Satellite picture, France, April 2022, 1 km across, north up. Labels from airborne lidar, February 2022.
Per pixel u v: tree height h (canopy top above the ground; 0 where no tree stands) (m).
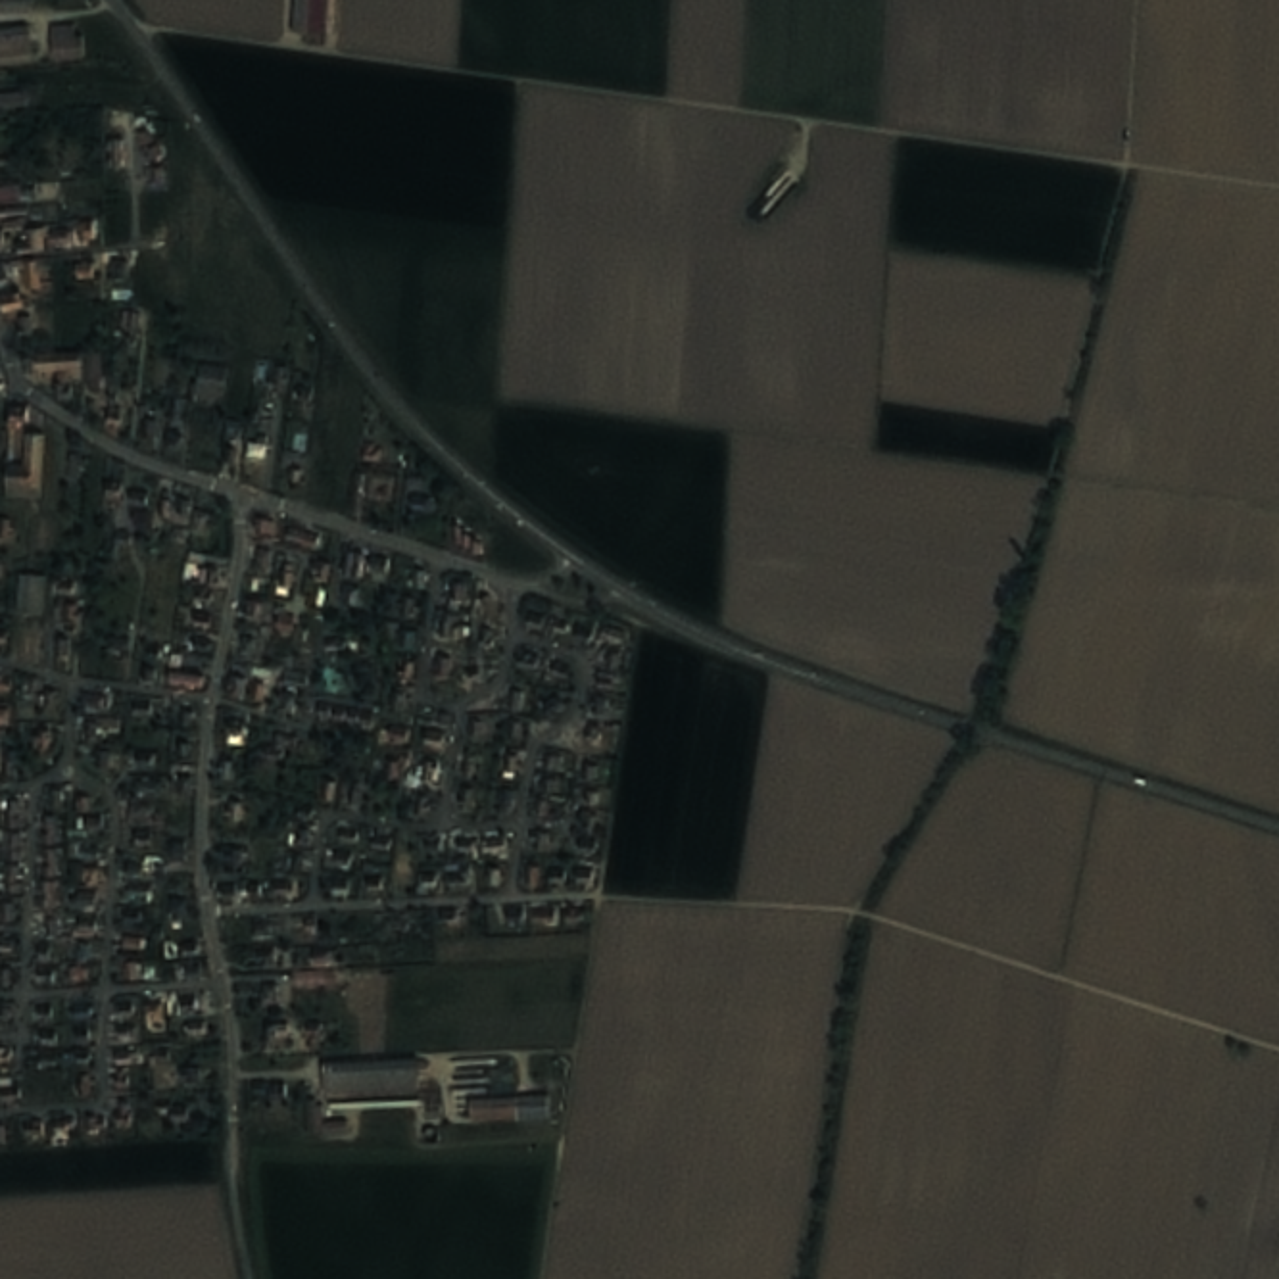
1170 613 0
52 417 0
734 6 0
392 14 0
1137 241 0
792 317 0
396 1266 0
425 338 0
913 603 0
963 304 0
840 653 0
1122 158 0
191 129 0
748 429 0
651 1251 0
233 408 0
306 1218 0
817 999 0
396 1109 0
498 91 0
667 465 0
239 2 0
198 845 0
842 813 0
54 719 0
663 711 0
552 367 0
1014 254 0
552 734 0
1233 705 0
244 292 0
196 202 0
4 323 0
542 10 0
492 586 0
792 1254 0
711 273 0
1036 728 0
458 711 0
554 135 0
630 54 0
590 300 0
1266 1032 0
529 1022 0
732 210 0
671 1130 0
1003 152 0
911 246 0
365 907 0
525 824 0
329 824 0
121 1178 0
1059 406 0
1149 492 0
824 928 0
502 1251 0
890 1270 0
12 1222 0
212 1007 0
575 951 0
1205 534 0
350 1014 0
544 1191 0
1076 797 0
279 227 0
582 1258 0
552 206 0
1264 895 0
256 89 0
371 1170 0
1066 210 0
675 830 0
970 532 0
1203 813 0
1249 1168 0
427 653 0
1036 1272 0
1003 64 0
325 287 0
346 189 0
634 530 0
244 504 0
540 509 0
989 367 0
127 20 0
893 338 0
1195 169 0
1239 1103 0
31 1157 0
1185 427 0
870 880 0
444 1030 0
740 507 0
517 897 0
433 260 0
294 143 0
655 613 0
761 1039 0
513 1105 0
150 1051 0
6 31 0
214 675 0
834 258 0
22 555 0
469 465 0
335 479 0
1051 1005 0
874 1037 0
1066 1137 0
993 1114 0
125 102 0
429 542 0
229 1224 0
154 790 0
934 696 0
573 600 0
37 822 0
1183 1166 0
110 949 0
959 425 0
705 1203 0
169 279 0
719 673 0
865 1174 0
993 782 0
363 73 0
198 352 12
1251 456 0
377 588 0
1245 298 0
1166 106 0
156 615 6
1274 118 0
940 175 0
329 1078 0
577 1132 0
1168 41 0
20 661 0
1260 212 0
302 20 0
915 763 0
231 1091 0
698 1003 0
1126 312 0
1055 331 0
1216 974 0
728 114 0
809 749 0
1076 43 0
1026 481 0
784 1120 0
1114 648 0
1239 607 0
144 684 0
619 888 0
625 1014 0
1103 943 0
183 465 0
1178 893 0
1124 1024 0
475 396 0
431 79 0
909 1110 0
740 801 0
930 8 0
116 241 0
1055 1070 0
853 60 0
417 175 0
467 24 0
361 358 0
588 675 0
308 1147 0
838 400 0
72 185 0
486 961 0
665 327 0
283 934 0
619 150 0
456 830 0
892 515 0
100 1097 0
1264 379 0
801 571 0
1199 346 0
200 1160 0
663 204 0
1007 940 0
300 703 8
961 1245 0
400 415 0
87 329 0
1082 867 0
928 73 0
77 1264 0
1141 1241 0
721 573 0
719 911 0
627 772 0
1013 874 0
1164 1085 0
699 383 0
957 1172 0
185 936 0
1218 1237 0
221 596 0
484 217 0
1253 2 0
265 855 0
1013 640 17
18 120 7
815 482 0
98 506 0
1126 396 0
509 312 0
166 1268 0
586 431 0
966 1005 0
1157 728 0
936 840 0
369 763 0
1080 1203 0
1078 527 0
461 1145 0
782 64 0
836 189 0
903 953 0
